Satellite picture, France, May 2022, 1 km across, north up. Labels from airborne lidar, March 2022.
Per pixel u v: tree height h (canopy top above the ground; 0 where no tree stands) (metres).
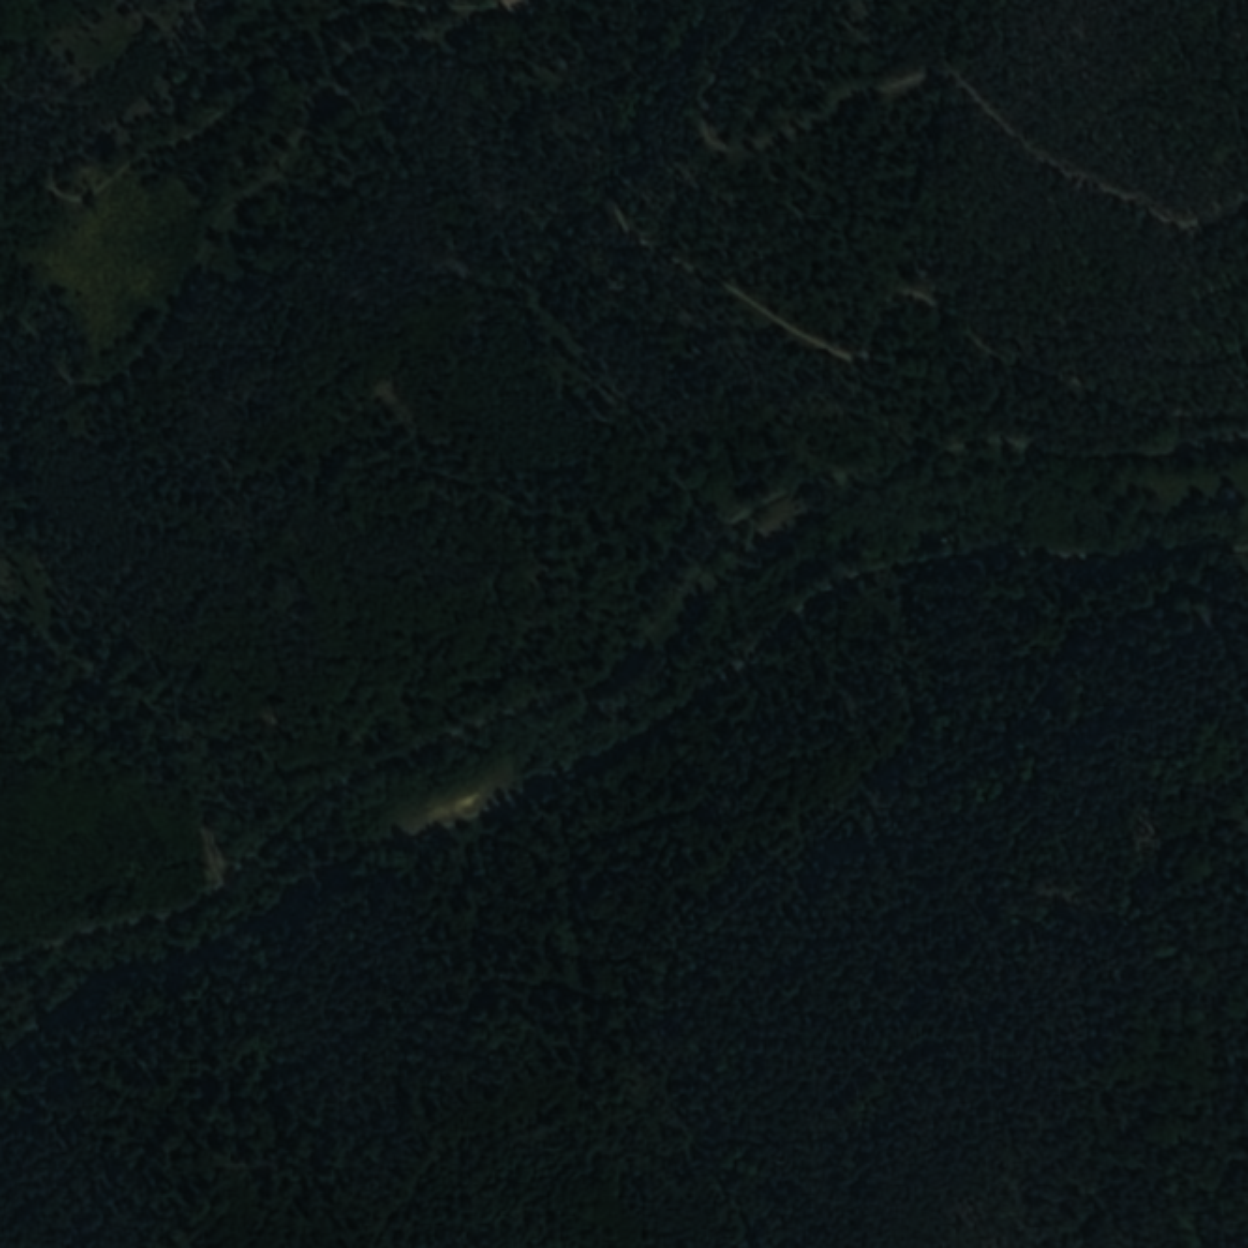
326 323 24
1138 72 27
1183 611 16
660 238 8
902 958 30
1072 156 25
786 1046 32
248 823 20
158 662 22
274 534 22
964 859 30
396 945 36
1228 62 30
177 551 22
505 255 22
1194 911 34
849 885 33
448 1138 9
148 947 17
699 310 27
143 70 10
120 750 34
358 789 25
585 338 31
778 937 28
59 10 28
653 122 23
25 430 22
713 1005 30
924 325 20
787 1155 29
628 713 27
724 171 14
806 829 10
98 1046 29
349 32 30
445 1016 33
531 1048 38
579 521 15
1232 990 28
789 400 26
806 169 30
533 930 17
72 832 17
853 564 18
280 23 32
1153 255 24
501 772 0
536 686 22
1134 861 25
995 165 28
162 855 18
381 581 22
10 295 18
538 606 24
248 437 18
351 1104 33
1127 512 22
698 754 17
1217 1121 34
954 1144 27
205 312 30
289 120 32
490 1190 8
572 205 35
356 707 23
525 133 31
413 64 24
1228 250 28
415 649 23
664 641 0
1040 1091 22
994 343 28
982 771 32
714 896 32
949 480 24
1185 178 25
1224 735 39
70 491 21
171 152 20
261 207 17
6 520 20
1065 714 28
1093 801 29
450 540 17
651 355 30
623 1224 13
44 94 31
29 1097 8
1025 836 34
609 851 14
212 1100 33
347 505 22
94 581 32
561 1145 7
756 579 18
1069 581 38
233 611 19
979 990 27
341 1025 33
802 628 14
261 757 24
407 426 30
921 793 31
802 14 25
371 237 29
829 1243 26
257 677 23
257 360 25
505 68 29
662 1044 32
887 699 34
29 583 17
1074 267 32
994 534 14
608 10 32
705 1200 9
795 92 27
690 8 30
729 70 21
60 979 29
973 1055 30
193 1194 39
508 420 18
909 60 22
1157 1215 28
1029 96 26
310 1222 30
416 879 15
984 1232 19
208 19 31
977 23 25
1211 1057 37
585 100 24
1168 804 27
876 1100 27
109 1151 9
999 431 34
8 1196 30
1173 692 34
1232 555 24
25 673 36
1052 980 28
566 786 31
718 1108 29
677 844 31
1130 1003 28
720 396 35
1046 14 27
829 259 28
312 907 32
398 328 20
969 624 33
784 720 32
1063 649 0
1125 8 12
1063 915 9
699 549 28
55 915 22
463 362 17
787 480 28
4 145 28
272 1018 35
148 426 20
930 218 26
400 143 37
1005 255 28
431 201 21
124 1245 26
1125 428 29
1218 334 30
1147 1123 36
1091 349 29
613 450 20
